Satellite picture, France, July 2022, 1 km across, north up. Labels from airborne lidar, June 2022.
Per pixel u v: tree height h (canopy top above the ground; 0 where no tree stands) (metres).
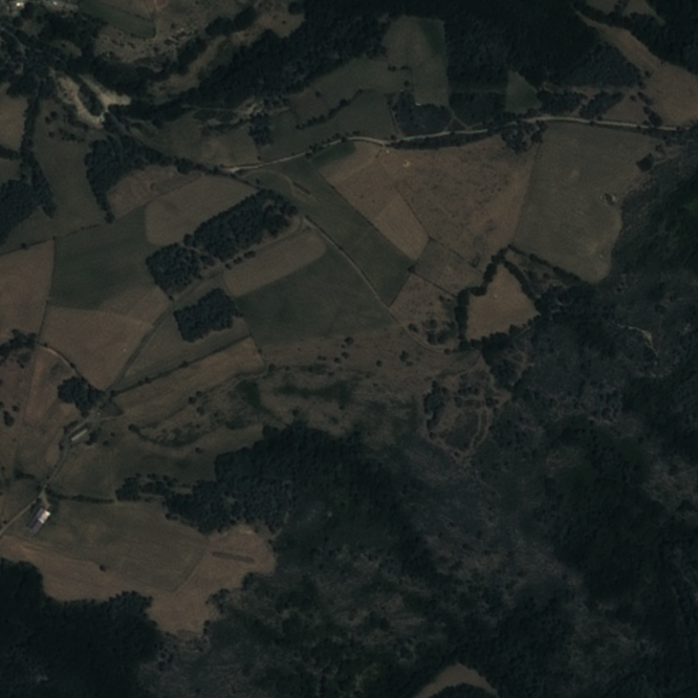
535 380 0
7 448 0
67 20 7
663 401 11
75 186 0
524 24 16
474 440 0
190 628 0
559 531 9
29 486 0
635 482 9
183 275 18
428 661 18
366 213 0
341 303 0
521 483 0
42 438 0
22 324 0
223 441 0
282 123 0
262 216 13
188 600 0
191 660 0
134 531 0
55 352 0
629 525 9
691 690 18
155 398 0
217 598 13
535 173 0
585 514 6
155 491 8
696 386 9
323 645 10
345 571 6
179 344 0
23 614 21
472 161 0
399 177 0
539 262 9
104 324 0
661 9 17
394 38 0
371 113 0
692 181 7
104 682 24
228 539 0
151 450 0
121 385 0
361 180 0
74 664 23
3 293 0
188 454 0
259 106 0
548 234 0
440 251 0
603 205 0
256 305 0
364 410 0
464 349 10
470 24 12
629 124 0
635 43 0
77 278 0
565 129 0
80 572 0
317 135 0
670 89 0
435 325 9
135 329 0
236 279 0
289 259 0
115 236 0
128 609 14
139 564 0
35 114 10
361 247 0
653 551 17
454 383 0
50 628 22
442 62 0
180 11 0
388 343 0
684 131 11
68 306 0
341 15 18
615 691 19
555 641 14
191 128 0
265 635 9
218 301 20
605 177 0
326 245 0
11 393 0
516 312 0
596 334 18
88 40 15
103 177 16
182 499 13
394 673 12
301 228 0
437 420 12
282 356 0
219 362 0
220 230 17
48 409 0
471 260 0
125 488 10
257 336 0
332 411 0
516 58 11
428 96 0
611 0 0
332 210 0
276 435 8
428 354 0
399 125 0
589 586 11
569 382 0
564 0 18
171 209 0
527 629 20
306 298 0
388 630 15
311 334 0
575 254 0
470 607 16
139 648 19
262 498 20
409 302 0
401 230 0
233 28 17
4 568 17
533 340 9
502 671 20
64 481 0
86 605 11
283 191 0
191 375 0
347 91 0
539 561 0
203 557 0
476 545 0
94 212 0
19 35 16
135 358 0
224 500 14
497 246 0
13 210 16
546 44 13
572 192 0
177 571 0
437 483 0
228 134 0
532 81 12
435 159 0
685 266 5
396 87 0
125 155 17
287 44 20
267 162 0
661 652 8
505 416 0
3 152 17
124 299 0
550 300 21
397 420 0
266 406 0
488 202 0
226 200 0
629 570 12
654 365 8
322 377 0
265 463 16
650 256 6
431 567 12
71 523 0
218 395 0
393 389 0
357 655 6
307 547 7
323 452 20
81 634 24
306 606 22
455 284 0
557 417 0
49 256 0
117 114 13
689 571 10
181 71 19
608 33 0
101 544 0
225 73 16
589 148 0
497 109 6
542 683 20
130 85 7
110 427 0
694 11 13
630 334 7
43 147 0
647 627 14
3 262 0
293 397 0
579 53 14
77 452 0
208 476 0
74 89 0
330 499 11
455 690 14
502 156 0
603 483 17
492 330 0
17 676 20
